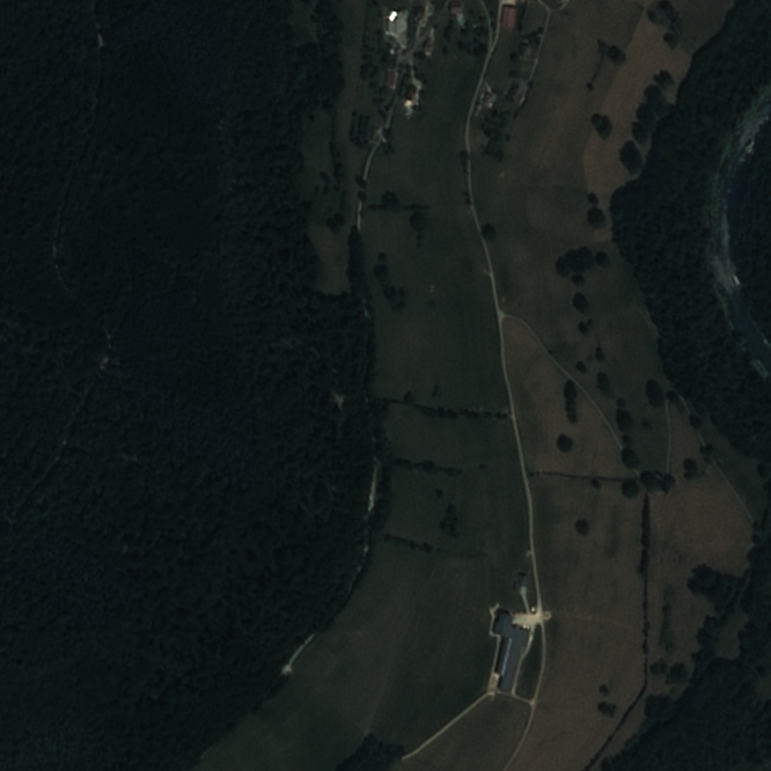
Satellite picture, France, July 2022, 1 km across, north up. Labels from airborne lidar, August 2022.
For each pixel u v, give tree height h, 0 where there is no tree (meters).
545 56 0
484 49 13
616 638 0
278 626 12
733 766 10
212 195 9
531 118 0
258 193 23
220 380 10
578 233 0
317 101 20
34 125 24
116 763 15
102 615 20
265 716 0
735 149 0
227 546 27
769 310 16
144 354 11
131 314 11
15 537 15
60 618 18
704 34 0
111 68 12
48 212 9
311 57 25
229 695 17
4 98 26
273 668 15
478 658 0
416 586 0
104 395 18
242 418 10
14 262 18
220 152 8
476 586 0
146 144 10
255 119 23
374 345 23
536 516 0
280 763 0
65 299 14
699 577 22
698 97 11
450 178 0
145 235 12
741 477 0
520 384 0
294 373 23
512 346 0
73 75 25
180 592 27
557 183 0
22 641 19
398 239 0
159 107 11
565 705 0
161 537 23
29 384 18
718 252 0
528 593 0
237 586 6
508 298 0
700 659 17
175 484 20
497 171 0
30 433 21
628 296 0
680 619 0
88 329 14
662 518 0
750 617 13
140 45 14
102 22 13
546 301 0
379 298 0
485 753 0
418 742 0
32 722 14
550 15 0
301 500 13
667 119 18
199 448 27
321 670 0
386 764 18
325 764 0
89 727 15
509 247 0
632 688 0
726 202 0
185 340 11
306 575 12
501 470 0
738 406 30
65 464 17
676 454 0
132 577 27
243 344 18
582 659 0
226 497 17
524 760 0
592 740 0
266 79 22
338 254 0
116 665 21
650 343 0
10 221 13
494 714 0
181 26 23
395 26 0
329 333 25
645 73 0
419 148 0
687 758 18
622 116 0
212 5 19
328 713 0
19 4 16
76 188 10
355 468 12
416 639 0
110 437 18
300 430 11
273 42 20
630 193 19
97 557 24
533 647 0
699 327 30
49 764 8
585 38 0
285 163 7
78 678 21
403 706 0
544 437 0
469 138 0
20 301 15
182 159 10
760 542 12
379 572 0
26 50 13
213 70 19
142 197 8
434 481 0
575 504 0
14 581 17
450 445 0
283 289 23
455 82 0
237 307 24
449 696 0
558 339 0
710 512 0
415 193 0
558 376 0
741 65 33
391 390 0
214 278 10
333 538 14
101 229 11
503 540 0
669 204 12
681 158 36
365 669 0
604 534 0
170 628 12
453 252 0
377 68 9
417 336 0
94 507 22
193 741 16
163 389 12
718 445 0
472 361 0
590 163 0
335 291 0
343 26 16
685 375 13
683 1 0
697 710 22
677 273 32
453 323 0
